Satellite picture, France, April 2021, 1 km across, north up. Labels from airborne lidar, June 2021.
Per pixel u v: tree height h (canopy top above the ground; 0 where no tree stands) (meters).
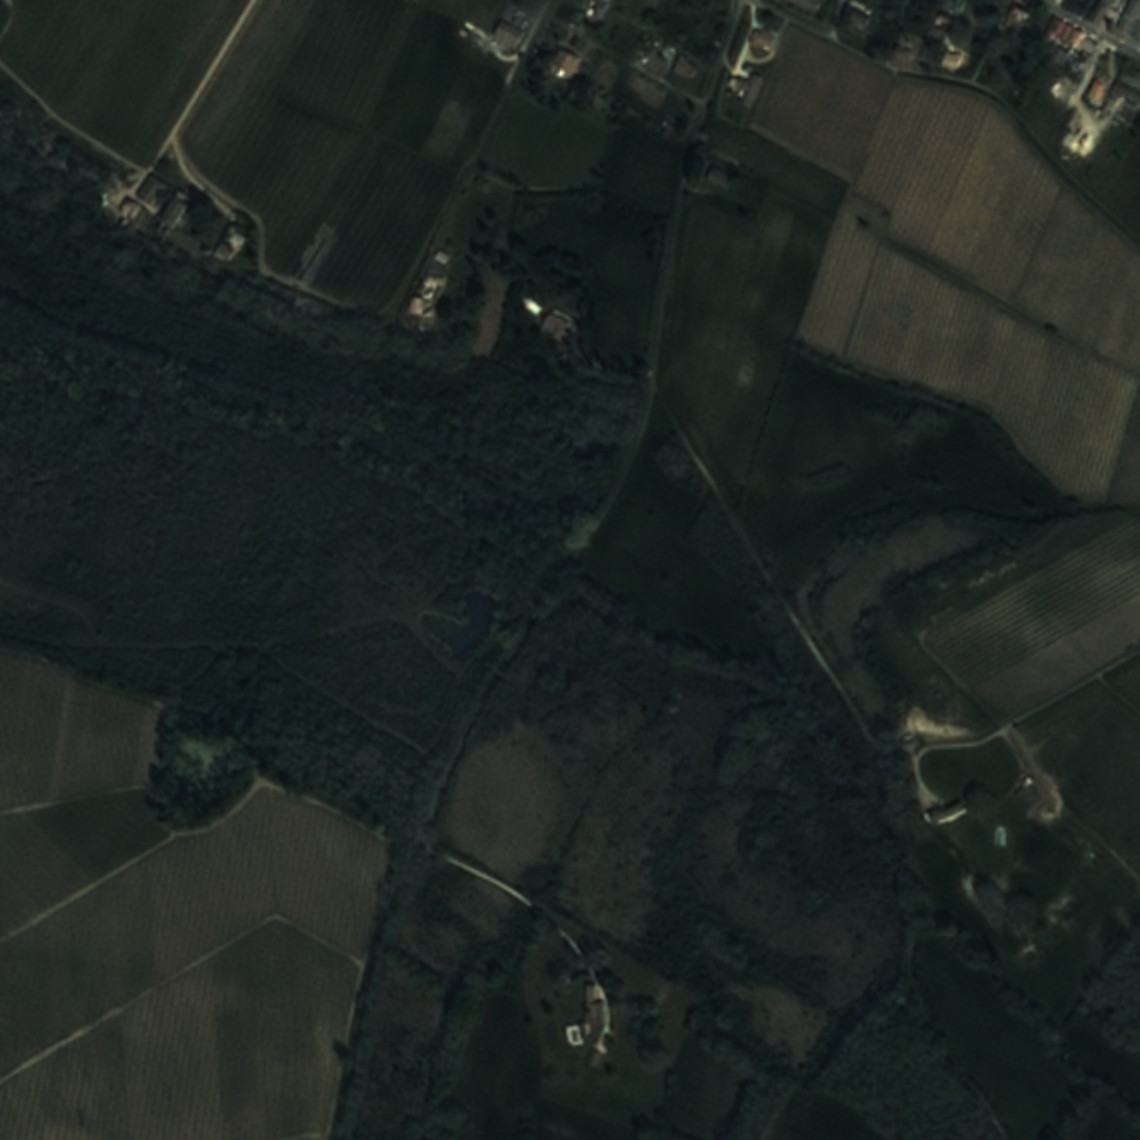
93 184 11
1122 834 0
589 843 0
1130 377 0
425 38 0
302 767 10
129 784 0
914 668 0
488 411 16
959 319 0
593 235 0
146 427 18
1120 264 0
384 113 0
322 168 0
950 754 0
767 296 0
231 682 8
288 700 6
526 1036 0
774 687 17
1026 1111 0
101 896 0
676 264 0
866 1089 25
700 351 0
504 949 6
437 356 29
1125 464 0
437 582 5
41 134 0
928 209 0
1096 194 0
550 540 20
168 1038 0
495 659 6
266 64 0
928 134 0
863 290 0
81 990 0
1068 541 0
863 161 0
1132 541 0
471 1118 7
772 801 7
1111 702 0
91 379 19
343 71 0
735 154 0
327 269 0
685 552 0
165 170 9
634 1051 0
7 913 0
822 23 8
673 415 0
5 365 20
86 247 16
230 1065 0
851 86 0
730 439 0
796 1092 16
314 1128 0
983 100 0
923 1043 29
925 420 21
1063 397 0
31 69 0
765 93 0
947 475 0
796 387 0
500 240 12
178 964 0
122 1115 0
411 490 20
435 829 17
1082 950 0
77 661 6
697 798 6
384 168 0
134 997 0
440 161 0
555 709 8
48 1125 0
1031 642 0
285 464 21
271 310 27
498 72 0
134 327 9
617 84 0
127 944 0
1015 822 0
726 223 0
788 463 0
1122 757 0
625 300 0
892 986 8
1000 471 0
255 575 7
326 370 10
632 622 16
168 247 9
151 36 0
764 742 10
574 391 9
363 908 0
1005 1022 0
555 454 17
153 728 0
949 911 0
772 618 8
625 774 0
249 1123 0
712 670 15
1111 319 0
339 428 21
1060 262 0
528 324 12
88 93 0
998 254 0
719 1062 11
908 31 0
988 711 0
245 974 0
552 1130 0
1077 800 0
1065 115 0
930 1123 21
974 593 0
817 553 0
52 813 0
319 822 0
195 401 22
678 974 7
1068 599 0
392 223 0
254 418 21
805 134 0
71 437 6
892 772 24
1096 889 0
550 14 0
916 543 0
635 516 0
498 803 0
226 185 0
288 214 0
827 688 6
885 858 12
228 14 0
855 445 0
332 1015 0
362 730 9
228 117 0
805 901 6
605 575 0
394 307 0
